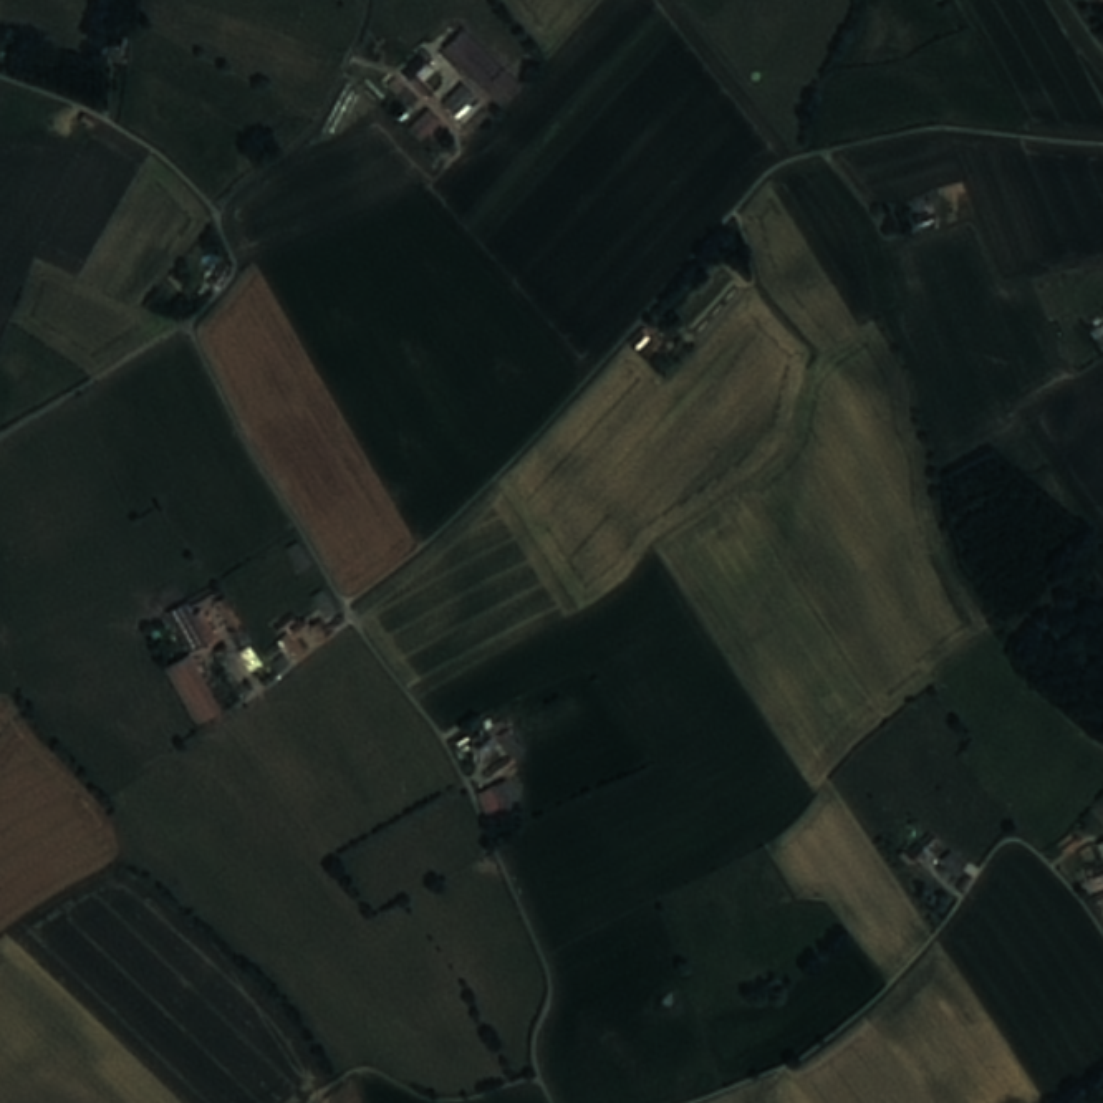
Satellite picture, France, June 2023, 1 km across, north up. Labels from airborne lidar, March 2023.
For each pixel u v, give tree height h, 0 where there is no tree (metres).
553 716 0
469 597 0
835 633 0
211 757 0
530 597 0
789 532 0
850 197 0
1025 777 0
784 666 0
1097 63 0
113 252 0
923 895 8
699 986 0
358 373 0
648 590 0
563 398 0
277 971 0
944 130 0
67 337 0
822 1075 0
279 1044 0
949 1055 0
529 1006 0
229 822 0
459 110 0
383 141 0
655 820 0
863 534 0
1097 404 0
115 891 0
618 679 0
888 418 0
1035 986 0
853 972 0
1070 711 21
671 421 0
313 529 0
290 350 0
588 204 0
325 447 0
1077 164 0
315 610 0
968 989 0
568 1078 0
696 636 0
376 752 0
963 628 0
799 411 0
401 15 0
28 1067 0
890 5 0
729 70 0
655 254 0
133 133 0
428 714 0
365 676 0
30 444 0
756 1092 0
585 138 0
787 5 0
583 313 0
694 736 0
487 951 0
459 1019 0
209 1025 0
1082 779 0
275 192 0
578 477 0
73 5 0
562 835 0
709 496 0
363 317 0
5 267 0
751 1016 0
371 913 6
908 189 0
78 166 0
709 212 0
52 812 0
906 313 0
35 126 0
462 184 0
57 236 0
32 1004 0
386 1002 0
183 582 0
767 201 0
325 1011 0
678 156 0
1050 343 0
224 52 0
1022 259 0
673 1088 0
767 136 0
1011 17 0
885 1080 0
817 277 0
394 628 0
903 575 0
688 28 0
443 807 0
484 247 0
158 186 0
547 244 0
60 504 0
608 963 0
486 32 0
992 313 0
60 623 0
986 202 0
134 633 0
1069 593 15
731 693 0
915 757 0
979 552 8
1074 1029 0
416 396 0
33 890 0
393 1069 0
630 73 0
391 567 0
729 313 0
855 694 0
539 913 0
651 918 0
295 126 0
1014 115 0
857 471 0
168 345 0
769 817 0
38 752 0
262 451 0
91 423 0
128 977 0
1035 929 0
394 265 0
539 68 14
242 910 0
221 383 0
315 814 0
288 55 0
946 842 0
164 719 0
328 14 0
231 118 0
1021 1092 0
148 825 0
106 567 0
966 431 0
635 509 0
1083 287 0
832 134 0
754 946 0
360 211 0
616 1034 0
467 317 0
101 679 0
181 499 0
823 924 0
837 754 0
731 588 0
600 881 0
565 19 0
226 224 0
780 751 0
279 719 0
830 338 0
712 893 0
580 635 0
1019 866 0
